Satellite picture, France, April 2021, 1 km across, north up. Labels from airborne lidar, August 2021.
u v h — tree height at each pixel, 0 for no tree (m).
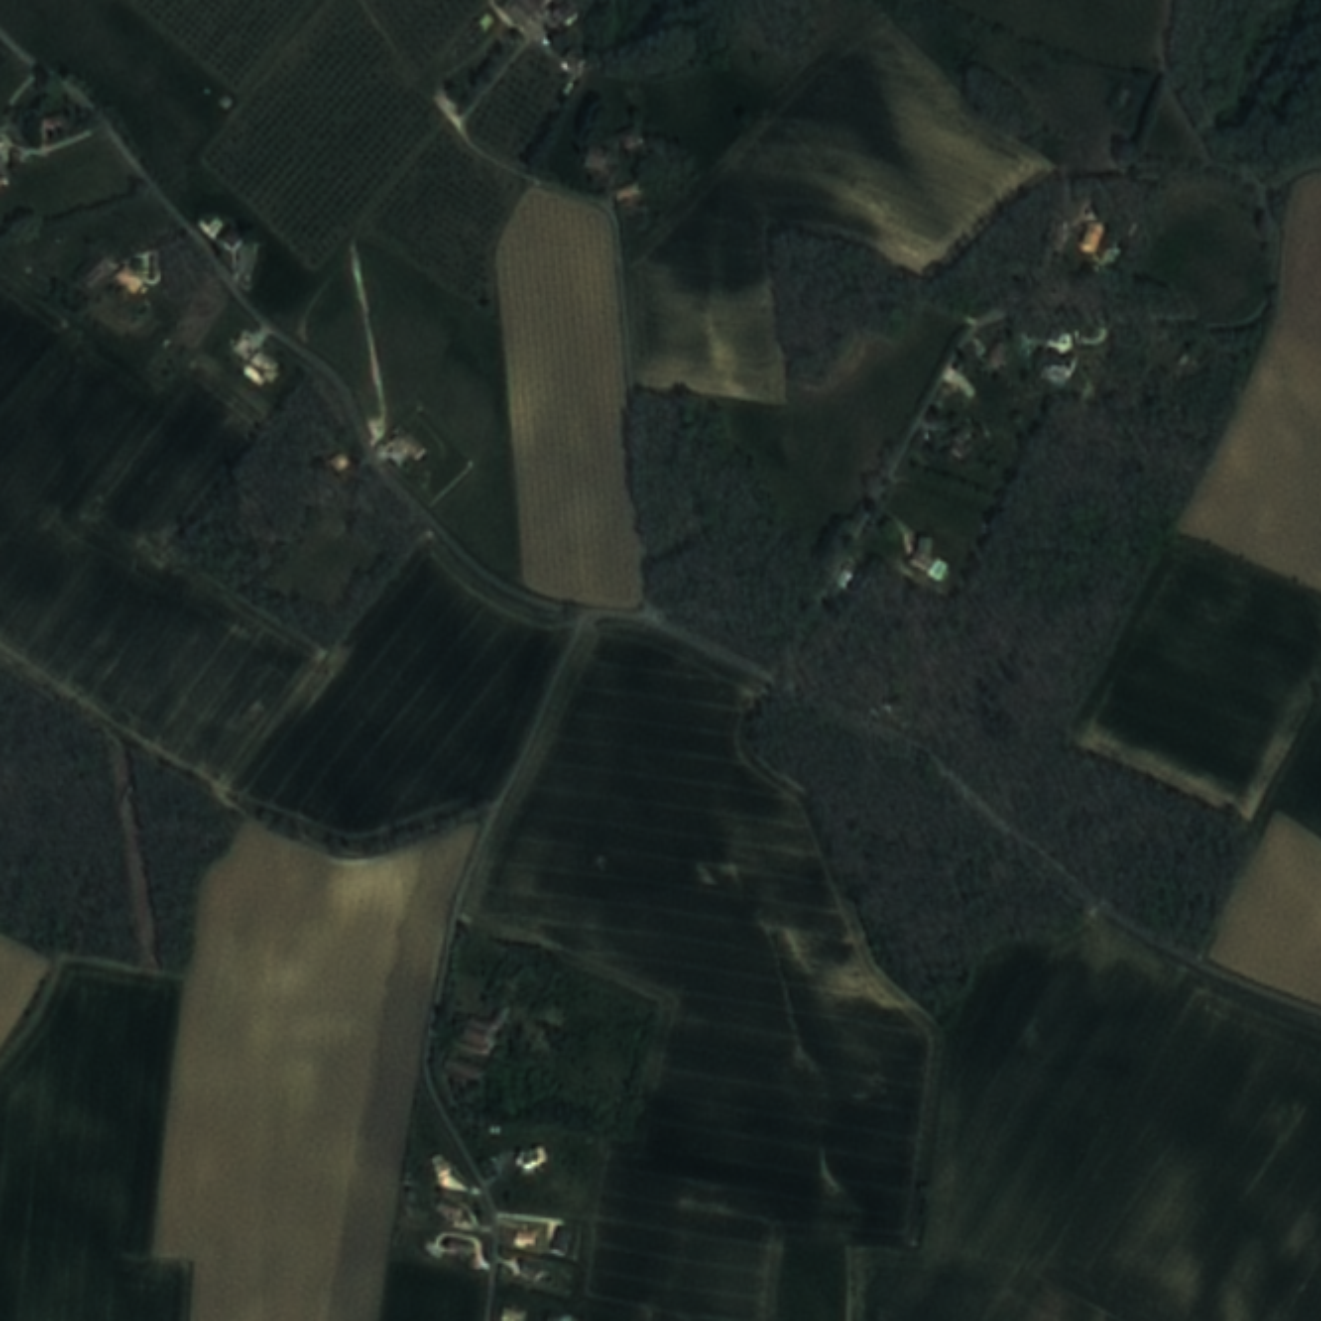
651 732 0
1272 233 13
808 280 17
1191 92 14
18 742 12
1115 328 17
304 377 11
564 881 0
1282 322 0
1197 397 9
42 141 9
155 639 0
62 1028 0
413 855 0
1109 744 0
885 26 0
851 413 0
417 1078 0
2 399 0
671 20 21
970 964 17
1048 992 0
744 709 0
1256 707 0
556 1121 8
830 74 0
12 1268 0
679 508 22
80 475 0
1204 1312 0
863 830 13
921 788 16
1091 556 22
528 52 0
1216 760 0
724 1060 0
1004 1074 0
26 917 15
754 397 0
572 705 0
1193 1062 0
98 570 0
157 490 0
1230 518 0
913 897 18
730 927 0
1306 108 24
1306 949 0
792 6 21
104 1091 0
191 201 0
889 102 0
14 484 0
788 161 0
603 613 0
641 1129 0
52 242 0
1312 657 0
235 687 0
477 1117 13
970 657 17
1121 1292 0
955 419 8
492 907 0
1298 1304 0
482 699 0
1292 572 0
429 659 0
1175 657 0
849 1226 0
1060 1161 0
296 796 0
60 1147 0
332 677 0
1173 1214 0
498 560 0
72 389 0
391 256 0
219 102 0
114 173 0
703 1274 0
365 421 0
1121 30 0
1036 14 0
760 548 21
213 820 8
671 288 0
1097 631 18
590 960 0
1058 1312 0
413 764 0
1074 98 0
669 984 0
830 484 0
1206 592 0
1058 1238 0
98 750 18
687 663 0
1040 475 18
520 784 0
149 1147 0
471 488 0
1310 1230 0
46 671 0
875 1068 0
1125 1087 0
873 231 0
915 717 17
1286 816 0
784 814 0
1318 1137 0
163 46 0
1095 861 20
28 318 0
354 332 0
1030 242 19
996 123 17
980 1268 0
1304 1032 0
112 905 17
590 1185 0
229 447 0
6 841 16
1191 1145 0
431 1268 0
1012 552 18
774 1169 0
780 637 20
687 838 0
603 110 13
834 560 19
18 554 0
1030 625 18
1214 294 0
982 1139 0
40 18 0
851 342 13
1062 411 13
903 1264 0
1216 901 16
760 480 17
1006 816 19
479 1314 0
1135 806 20
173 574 0
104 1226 0
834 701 19
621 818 0
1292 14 8
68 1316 0
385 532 16
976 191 0
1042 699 16
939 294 19
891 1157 0
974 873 18
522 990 6
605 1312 0
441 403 0
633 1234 0
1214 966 0
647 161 13
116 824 19
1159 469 16
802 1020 0
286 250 0
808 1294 0
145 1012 0
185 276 18
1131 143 8
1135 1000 0
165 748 0
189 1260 0
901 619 15
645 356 0
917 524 0
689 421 16
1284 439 0
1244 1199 0
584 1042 6
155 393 0
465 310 0
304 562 0
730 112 0
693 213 0
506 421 0
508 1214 0
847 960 0
